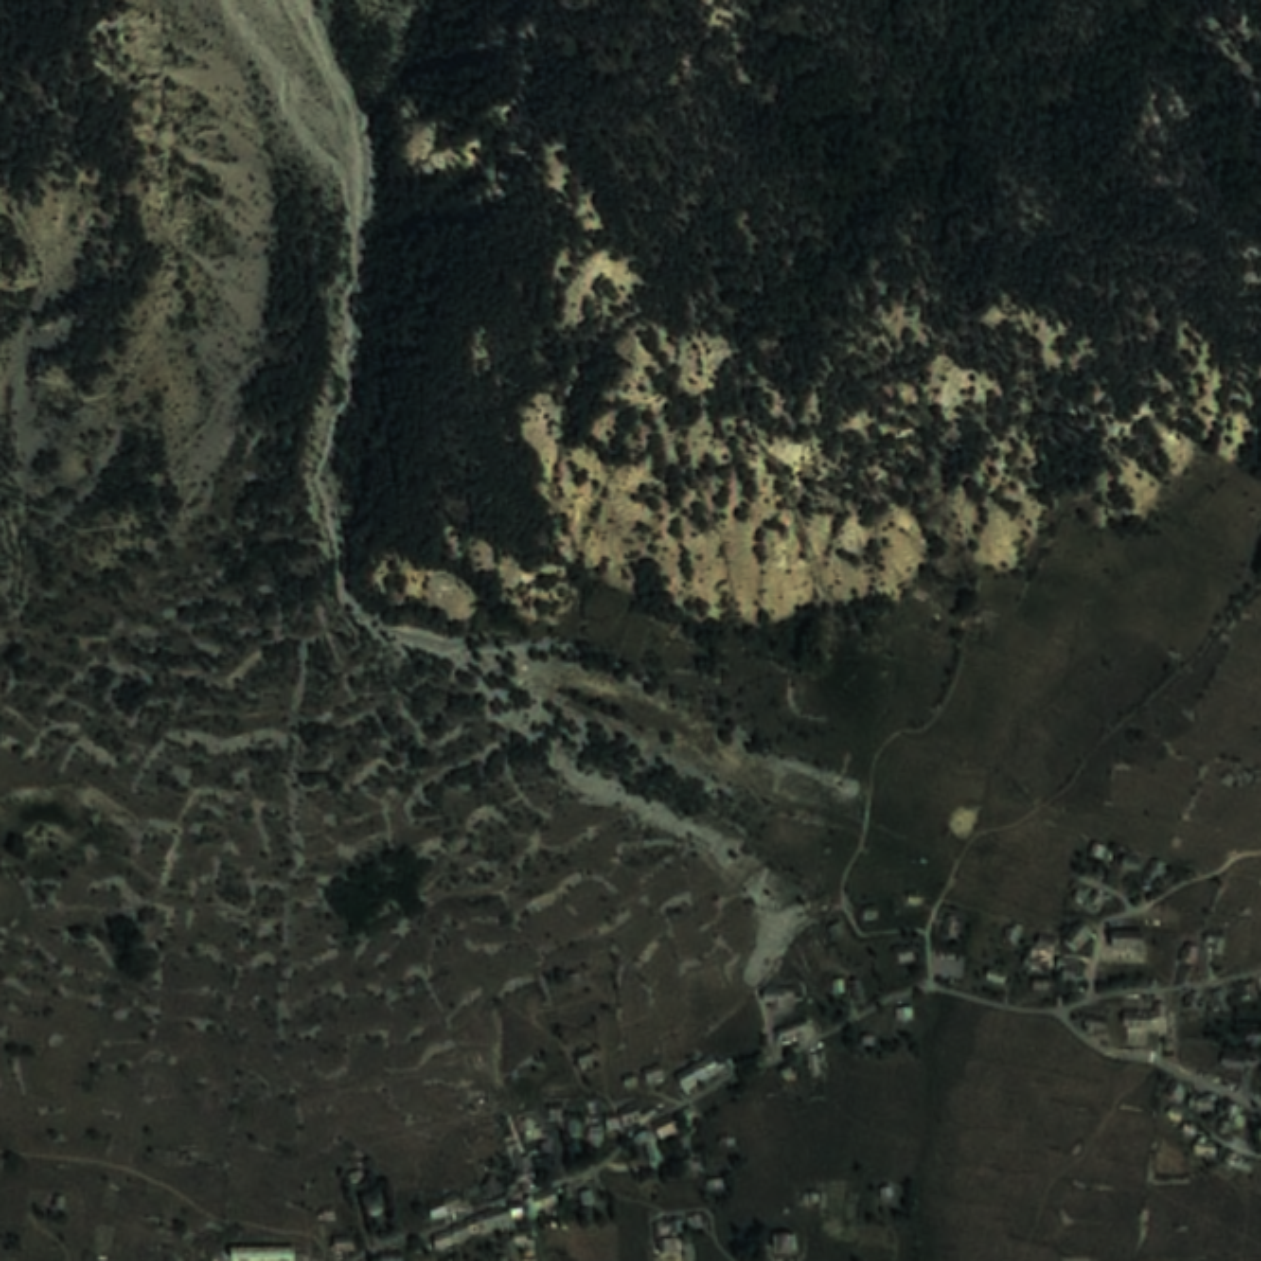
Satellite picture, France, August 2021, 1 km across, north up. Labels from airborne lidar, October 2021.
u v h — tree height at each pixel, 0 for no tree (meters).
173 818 0
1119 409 9
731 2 7
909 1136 0
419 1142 0
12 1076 0
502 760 7
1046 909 0
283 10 0
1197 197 12
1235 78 8
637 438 6
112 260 7
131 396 0
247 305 0
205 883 0
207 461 0
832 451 11
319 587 6
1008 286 8
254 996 0
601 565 6
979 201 9
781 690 0
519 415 7
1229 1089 0
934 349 7
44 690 7
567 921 0
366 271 7
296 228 9
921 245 8
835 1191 0
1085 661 0
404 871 8
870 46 12
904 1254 0
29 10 18
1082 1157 0
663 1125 0
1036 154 18
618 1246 0
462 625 7
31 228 0
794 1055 9
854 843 0
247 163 0
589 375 17
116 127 11
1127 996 0
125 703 9
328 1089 0
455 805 0
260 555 10
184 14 0
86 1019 0
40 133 12
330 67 0
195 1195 0
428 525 15
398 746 7
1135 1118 0
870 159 27
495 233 17
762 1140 0
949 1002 0
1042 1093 0
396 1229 13
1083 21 11
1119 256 16
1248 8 14
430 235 17
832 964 0
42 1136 0
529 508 13
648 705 0
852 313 16
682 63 9
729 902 0
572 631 0
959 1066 0
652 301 11
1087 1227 0
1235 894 0
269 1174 0
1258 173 23
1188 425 15
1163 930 0
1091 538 0
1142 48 18
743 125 8
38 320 8
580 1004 0
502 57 8
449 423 16
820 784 0
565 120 11
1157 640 0
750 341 16
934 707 0
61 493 10
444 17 18
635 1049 0
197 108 9
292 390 13
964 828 0
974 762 0
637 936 0
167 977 0
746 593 0
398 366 19
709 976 0
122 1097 0
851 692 0
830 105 28
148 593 0
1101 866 10
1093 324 7
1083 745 0
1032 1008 0
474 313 13
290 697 0
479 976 0
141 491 6
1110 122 11
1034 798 0
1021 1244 0
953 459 15
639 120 19
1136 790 0
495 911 0
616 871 0
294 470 10
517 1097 0
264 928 0
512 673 15
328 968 0
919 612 0
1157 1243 0
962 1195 0
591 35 17
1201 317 8
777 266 19
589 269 0
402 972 0
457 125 13
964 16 17
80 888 0
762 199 11
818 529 0
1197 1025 0
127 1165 0
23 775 0
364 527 15
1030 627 0
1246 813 0
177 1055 0
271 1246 0
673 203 14
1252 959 0
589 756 7
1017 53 22
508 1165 7
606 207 14
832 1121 0
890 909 0
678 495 13
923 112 22
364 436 7
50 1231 0
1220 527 0
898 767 0
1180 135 10
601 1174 0
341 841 0
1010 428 9
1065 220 9
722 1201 11
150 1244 0
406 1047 0
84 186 7
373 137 11
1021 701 0
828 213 19
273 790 0
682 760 0
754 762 0
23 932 0
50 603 7
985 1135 0
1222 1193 0
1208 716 0
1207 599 0
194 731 0
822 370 7
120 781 0
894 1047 7
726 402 12
